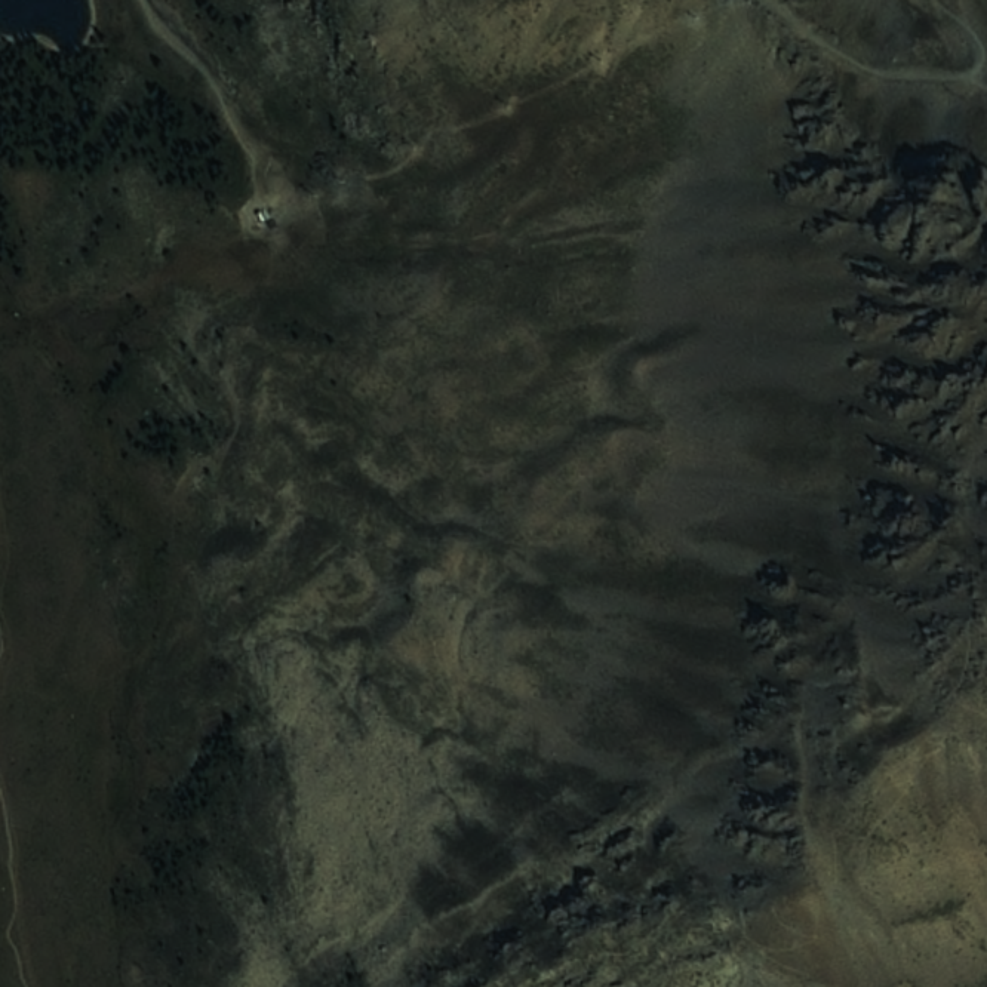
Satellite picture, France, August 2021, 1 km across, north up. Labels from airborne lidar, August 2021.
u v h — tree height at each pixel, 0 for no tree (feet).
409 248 0
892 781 0
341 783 0
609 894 0
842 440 0
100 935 0
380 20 0
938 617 0
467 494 0
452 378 0
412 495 0
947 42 0
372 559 0
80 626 0
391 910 0
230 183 31
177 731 0
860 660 0
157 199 0
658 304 0
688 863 0
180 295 0
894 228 0
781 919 0
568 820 0
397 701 0
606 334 0
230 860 0
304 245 0
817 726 0
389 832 0
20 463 0
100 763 0
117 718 0
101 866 0
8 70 47
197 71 0
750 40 0
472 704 0
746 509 0
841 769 0
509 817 0
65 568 0
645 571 0
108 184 0
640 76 0
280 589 0
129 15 0
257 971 0
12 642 0
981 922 0
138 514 0
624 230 0
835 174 0
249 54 0
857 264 0
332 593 0
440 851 0
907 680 0
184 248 0
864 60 0
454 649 0
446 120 0
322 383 0
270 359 0
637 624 0
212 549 0
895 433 0
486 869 0
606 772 0
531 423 0
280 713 0
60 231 0
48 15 0
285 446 0
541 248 0
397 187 0
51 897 0
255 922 0
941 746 0
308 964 0
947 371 0
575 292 0
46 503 0
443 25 0
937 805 0
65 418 0
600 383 0
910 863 0
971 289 0
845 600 0
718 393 0
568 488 0
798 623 0
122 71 0
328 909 0
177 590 0
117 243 0
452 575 0
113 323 0
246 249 0
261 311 0
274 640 0
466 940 0
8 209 48
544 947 0
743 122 0
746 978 0
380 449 0
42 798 0
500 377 0
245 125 0
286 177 0
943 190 0
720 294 0
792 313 0
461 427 0
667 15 0
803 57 0
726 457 0
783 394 0
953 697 0
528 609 0
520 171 0
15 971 0
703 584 0
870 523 0
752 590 0
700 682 0
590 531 0
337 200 0
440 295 0
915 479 0
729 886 0
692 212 0
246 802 0
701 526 0
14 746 0
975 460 0
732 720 0
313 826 0
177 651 0
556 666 0
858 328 0
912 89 0
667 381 0
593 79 0
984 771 0
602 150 0
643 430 0
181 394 0
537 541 0
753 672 0
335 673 0
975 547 0
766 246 0
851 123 0
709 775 0
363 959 0
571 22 0
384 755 0
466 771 0
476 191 0
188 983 0
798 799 0
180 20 0
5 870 0
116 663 0
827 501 0
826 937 0
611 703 0
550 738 0
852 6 0
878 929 0
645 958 0
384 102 0
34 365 0
